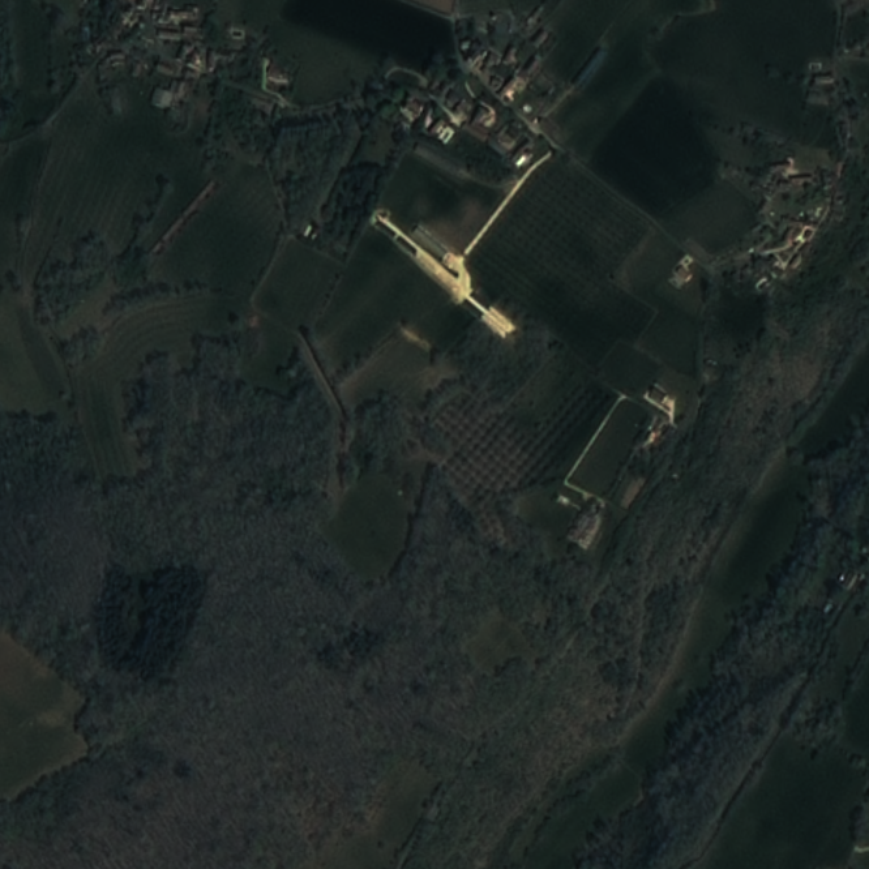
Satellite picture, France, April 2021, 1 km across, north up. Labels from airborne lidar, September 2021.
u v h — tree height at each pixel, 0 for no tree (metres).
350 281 0
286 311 0
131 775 13
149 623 18
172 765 15
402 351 0
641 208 0
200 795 16
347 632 14
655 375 0
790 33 0
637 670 12
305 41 0
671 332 0
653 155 0
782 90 0
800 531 8
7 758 0
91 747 19
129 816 15
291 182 10
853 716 0
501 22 0
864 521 9
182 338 0
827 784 0
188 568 15
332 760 19
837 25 9
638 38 0
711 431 6
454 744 20
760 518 0
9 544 22
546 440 8
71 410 9
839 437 0
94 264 16
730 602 0
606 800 0
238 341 11
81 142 6
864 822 18
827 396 14
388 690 19
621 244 6
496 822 18
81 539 17
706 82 0
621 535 6
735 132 8
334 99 0
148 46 0
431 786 0
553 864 0
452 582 15
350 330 0
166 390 18
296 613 18
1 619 14
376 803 7
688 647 0
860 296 14
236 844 16
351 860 0
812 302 11
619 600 17
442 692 20
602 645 14
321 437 21
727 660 11
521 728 10
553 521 0
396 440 20
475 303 0
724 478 16
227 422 21
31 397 0
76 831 16
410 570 17
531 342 10
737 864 0
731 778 20
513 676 17
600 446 0
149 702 21
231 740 19
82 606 17
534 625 11
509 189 0
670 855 21
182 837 18
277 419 16
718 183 0
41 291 13
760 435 15
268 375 0
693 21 0
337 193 6
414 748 18
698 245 0
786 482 0
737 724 17
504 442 9
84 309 0
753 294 12
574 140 0
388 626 14
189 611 16
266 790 19
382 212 0
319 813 14
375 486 0
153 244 6
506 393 9
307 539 18
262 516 20
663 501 20
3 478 22
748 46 0
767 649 11
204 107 0
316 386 16
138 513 23
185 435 19
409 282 0
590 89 0
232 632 20
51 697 0
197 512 19
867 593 13
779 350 8
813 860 0
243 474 27
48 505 22
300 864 18
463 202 0
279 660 19
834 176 10
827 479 11
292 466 16
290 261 0
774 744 0
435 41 0
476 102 7
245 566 19
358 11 0
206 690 15
